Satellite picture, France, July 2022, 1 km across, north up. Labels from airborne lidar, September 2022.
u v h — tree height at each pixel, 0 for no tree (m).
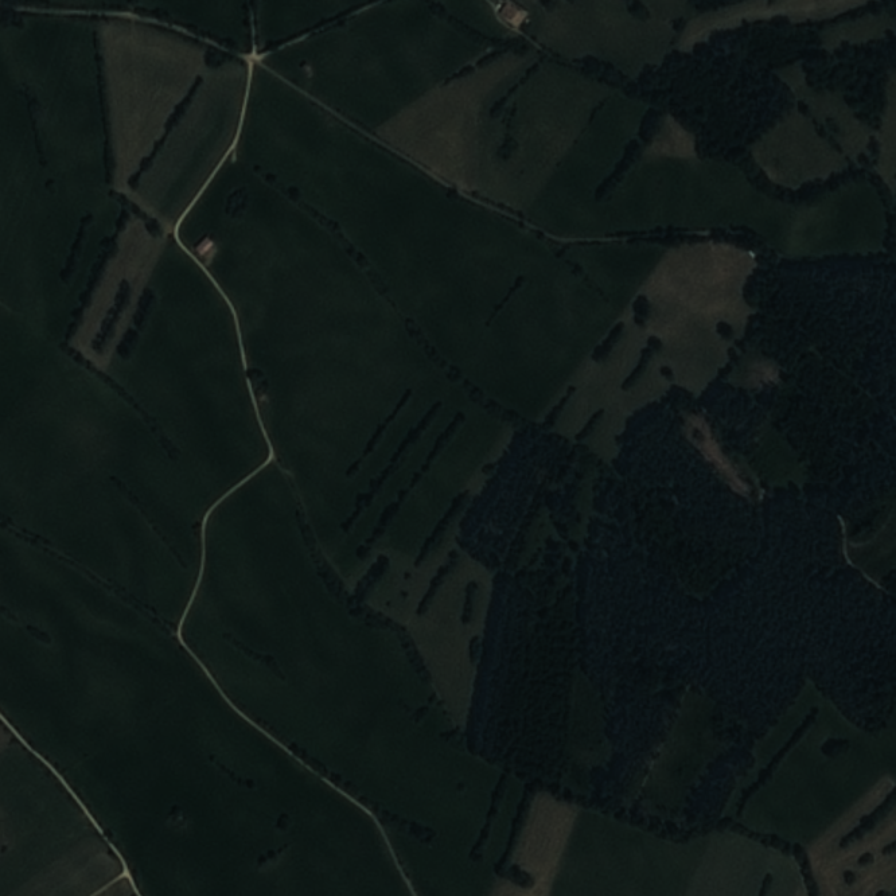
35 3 7
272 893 0
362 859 0
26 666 0
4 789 0
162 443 7
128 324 0
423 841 10
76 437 0
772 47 9
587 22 0
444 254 0
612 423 0
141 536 0
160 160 0
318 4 0
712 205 0
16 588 0
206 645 0
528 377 0
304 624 0
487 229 0
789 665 26
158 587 0
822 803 0
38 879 0
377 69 0
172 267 0
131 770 0
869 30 0
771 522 24
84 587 0
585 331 0
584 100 0
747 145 9
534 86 0
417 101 0
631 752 25
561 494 5
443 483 0
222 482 0
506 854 6
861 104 8
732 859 0
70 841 0
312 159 0
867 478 26
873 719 21
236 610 0
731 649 26
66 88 0
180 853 0
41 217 0
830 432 16
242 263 0
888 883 0
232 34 0
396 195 0
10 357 0
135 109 0
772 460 0
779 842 14
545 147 0
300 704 0
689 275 0
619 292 0
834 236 0
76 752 0
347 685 0
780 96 23
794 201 15
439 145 0
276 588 0
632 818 8
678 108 14
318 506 0
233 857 0
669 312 0
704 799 25
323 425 0
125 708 0
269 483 0
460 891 0
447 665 0
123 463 0
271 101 0
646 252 0
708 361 0
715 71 15
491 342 0
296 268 0
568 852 0
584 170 0
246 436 0
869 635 23
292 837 0
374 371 0
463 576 0
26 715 0
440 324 0
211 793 0
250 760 0
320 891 0
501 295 0
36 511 0
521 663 13
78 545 0
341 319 0
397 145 0
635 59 0
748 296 15
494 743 13
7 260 0
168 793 0
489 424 0
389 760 0
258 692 0
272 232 0
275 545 0
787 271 22
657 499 7
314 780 0
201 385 0
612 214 0
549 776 8
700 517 23
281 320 0
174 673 0
